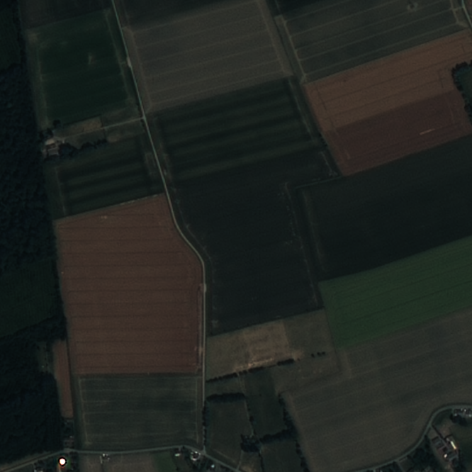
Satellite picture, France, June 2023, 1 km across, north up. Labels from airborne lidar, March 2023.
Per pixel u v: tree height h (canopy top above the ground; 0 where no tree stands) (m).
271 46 0
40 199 31
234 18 0
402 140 0
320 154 0
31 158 18
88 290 0
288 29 0
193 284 0
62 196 0
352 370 0
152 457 0
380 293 0
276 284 0
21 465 0
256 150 0
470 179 0
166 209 0
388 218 0
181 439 0
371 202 0
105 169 0
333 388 0
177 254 0
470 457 0
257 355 0
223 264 0
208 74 0
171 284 0
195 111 0
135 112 0
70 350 0
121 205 0
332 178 0
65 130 0
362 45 0
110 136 0
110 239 0
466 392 0
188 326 0
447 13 0
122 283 0
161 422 0
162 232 0
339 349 0
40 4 0
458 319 0
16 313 0
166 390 0
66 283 0
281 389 0
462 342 0
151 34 0
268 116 0
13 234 37
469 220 0
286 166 0
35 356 7
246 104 0
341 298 0
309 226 0
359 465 0
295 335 0
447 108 0
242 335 0
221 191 0
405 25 0
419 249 0
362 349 0
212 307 0
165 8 0
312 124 0
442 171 0
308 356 0
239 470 0
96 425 0
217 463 0
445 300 0
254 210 0
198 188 0
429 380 0
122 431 0
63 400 0
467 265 0
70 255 0
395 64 0
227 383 0
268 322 0
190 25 0
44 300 0
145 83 0
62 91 0
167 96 0
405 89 0
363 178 0
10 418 22
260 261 0
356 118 0
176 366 0
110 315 0
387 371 0
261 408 0
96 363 0
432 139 0
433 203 0
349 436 0
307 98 0
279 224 0
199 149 0
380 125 0
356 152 0
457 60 0
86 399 0
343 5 0
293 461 0
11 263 19
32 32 0
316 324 0
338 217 0
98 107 0
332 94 0
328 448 0
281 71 0
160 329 0
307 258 0
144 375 0
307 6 0
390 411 0
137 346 0
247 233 0
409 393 0
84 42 0
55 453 0
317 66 0
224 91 0
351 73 0
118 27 0
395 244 0
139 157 0
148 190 0
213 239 0
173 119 0
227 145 0
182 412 0
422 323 0
